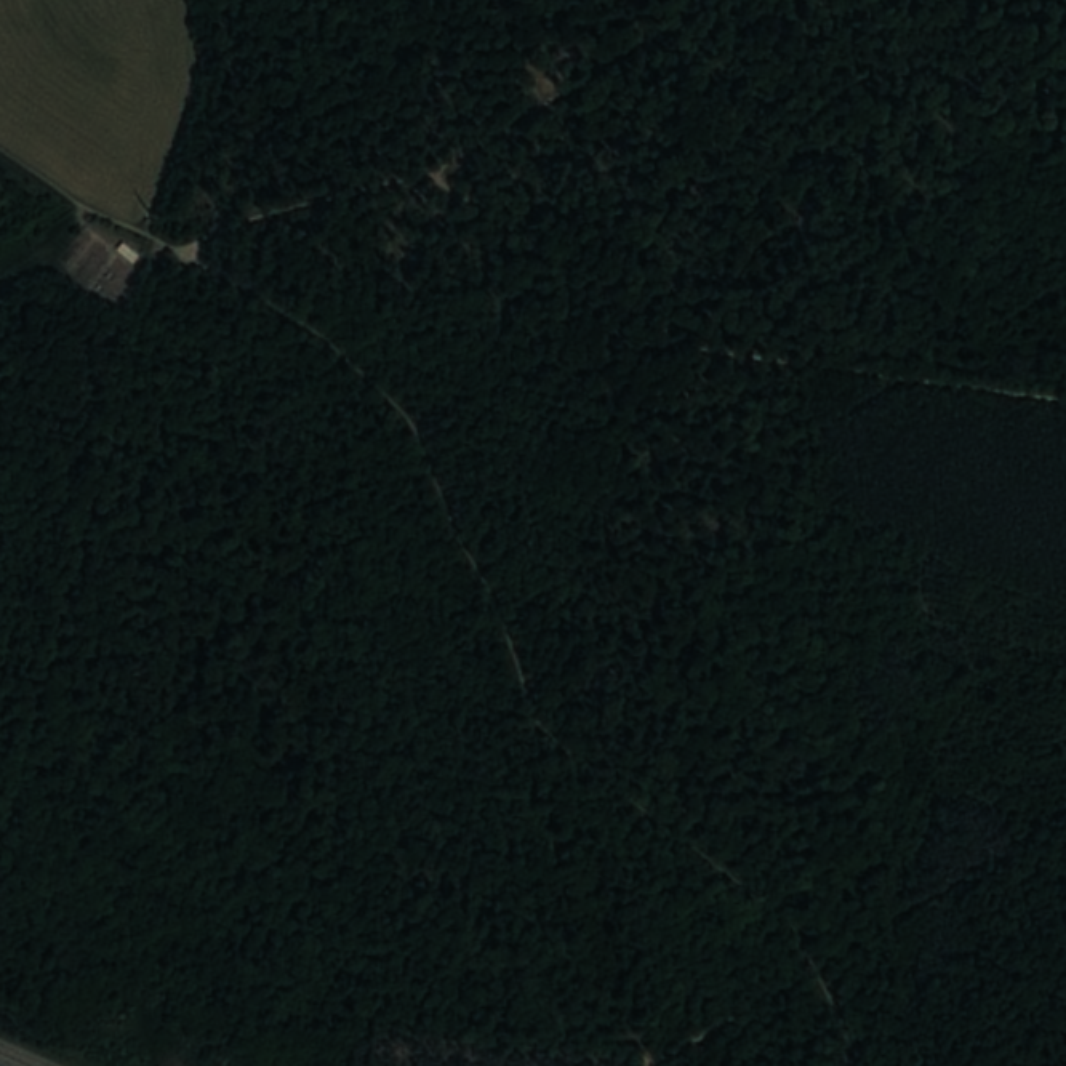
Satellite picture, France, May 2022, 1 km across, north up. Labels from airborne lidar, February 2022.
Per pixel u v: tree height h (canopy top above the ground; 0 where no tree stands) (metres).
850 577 19
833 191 33
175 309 24
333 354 22
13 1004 19
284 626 28
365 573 22
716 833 25
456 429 24
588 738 25
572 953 28
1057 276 24
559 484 24
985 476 12
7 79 0
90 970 25
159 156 0
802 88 36
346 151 29
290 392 26
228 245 22
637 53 36
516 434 24
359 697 24
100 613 30
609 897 18
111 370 23
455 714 28
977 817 25
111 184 0
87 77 0
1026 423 13
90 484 29
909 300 30
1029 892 21
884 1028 23
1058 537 13
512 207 32
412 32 27
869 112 36
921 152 33
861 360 25
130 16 0
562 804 23
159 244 0
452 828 24
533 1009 22
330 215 28
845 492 15
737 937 20
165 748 27
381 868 24
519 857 18
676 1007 24
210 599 30
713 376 28
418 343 24
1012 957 23
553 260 26
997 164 27
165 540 30
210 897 24
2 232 11
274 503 24
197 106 13
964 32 33
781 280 34
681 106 31
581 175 38
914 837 25
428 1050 28
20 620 25
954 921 13
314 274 26
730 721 32
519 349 20
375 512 20
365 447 19
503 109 31
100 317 20
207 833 25
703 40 33
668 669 29
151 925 24
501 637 14
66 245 0
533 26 28
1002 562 12
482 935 10
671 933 23
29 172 0
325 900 24
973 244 29
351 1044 17
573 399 27
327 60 29
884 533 19
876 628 17
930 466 13
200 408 30
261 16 29
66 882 23
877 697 25
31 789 22
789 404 26
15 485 26
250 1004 21
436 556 20
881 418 14
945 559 11
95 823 25
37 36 0
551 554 24
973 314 27
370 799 22
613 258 30
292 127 32
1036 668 22
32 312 26
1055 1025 24
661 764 30
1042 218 28
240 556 35
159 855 26
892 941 25
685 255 31
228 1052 11
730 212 32
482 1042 23
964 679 22
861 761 30
